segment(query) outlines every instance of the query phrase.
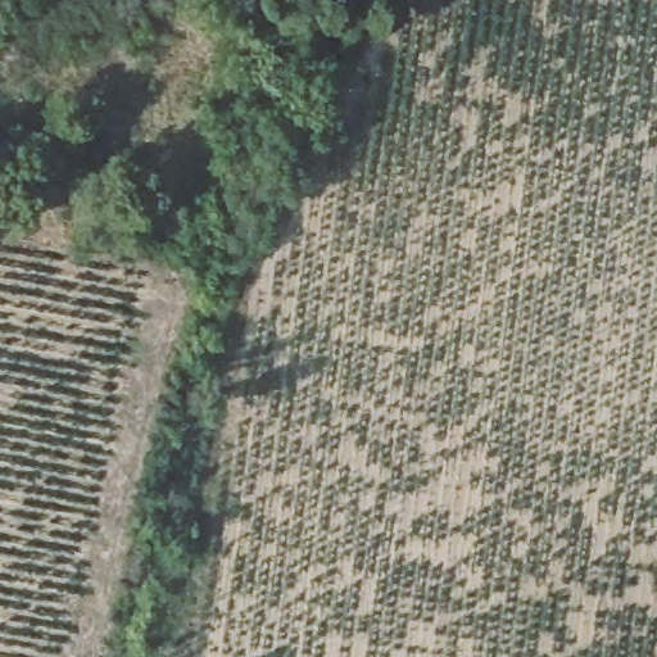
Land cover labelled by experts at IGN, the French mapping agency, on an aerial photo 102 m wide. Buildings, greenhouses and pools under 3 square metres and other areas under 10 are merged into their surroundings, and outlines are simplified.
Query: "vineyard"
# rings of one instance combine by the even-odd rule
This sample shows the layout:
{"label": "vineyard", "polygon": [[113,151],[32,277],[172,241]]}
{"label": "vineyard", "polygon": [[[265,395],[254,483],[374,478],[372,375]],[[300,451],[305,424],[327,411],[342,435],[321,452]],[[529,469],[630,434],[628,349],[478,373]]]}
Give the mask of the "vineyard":
{"label": "vineyard", "polygon": [[[72,221],[72,203],[41,213],[41,228],[36,234],[38,246],[13,244],[10,252],[0,252],[0,657],[105,657],[108,647],[103,642],[113,631],[113,624],[128,626],[136,613],[139,588],[123,588],[121,577],[133,580],[139,575],[141,559],[146,557],[146,539],[154,534],[154,526],[169,529],[175,539],[175,544],[169,547],[164,547],[162,542],[154,544],[157,562],[164,567],[164,572],[175,575],[175,580],[167,588],[159,585],[151,593],[151,621],[146,624],[144,634],[146,657],[657,657],[657,0],[393,0],[390,10],[382,3],[370,5],[364,18],[370,38],[362,38],[341,51],[341,64],[336,67],[331,82],[323,77],[316,77],[313,82],[298,80],[293,82],[290,92],[280,90],[280,95],[275,98],[280,105],[287,108],[287,118],[295,126],[311,128],[311,141],[295,149],[295,159],[290,164],[290,190],[285,195],[275,187],[269,190],[264,200],[264,216],[249,213],[249,208],[239,200],[234,190],[223,190],[226,205],[236,218],[236,231],[228,239],[228,252],[234,254],[236,264],[210,262],[205,277],[198,277],[192,269],[159,267],[149,259],[136,262],[136,267],[115,269],[110,254],[103,252],[92,254],[90,267],[80,267],[74,264],[74,249],[64,234],[64,221]],[[218,334],[221,352],[216,352],[213,364],[208,367],[210,375],[198,385],[192,385],[192,380],[180,382],[180,375],[187,372],[185,367],[200,352],[195,336],[195,318],[200,316],[208,300],[223,300],[231,305],[234,300],[246,300],[246,313],[226,316],[226,326]]]}

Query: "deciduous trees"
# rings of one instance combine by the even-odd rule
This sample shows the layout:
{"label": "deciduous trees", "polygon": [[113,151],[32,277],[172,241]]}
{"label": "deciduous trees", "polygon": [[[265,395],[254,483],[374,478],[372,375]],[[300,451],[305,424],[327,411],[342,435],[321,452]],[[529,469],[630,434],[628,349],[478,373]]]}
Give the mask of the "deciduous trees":
{"label": "deciduous trees", "polygon": [[41,213],[72,203],[72,221],[64,221],[64,234],[74,249],[74,264],[80,267],[90,267],[92,254],[103,252],[110,254],[115,269],[136,267],[136,262],[149,259],[159,267],[192,269],[198,277],[205,277],[210,262],[236,264],[234,254],[228,252],[228,239],[236,231],[236,218],[226,205],[223,190],[234,190],[239,200],[249,208],[249,213],[264,216],[264,200],[269,190],[275,187],[285,195],[290,190],[290,164],[295,159],[295,149],[311,141],[311,128],[295,126],[287,118],[287,108],[280,105],[275,98],[280,95],[280,90],[290,92],[293,82],[298,80],[313,82],[316,77],[323,77],[331,82],[336,67],[341,64],[341,51],[362,38],[370,38],[364,18],[370,5],[382,3],[390,10],[393,0],[0,0],[0,252],[10,252],[13,244],[38,246],[36,234],[41,228]]}
{"label": "deciduous trees", "polygon": [[146,557],[141,559],[139,575],[133,580],[121,577],[123,588],[139,588],[136,613],[128,626],[113,624],[113,631],[103,642],[108,647],[105,657],[146,657],[144,634],[146,624],[151,621],[151,593],[159,585],[167,588],[175,580],[175,575],[164,572],[164,567],[157,562],[154,544],[162,542],[164,547],[169,547],[175,544],[175,539],[169,529],[154,526],[154,534],[146,539]]}
{"label": "deciduous trees", "polygon": [[208,367],[213,364],[216,352],[221,352],[218,334],[226,326],[226,316],[246,313],[246,300],[234,300],[231,305],[223,300],[208,300],[200,316],[195,318],[195,336],[200,352],[185,367],[187,372],[180,375],[180,382],[192,380],[192,385],[198,385],[210,375]]}

